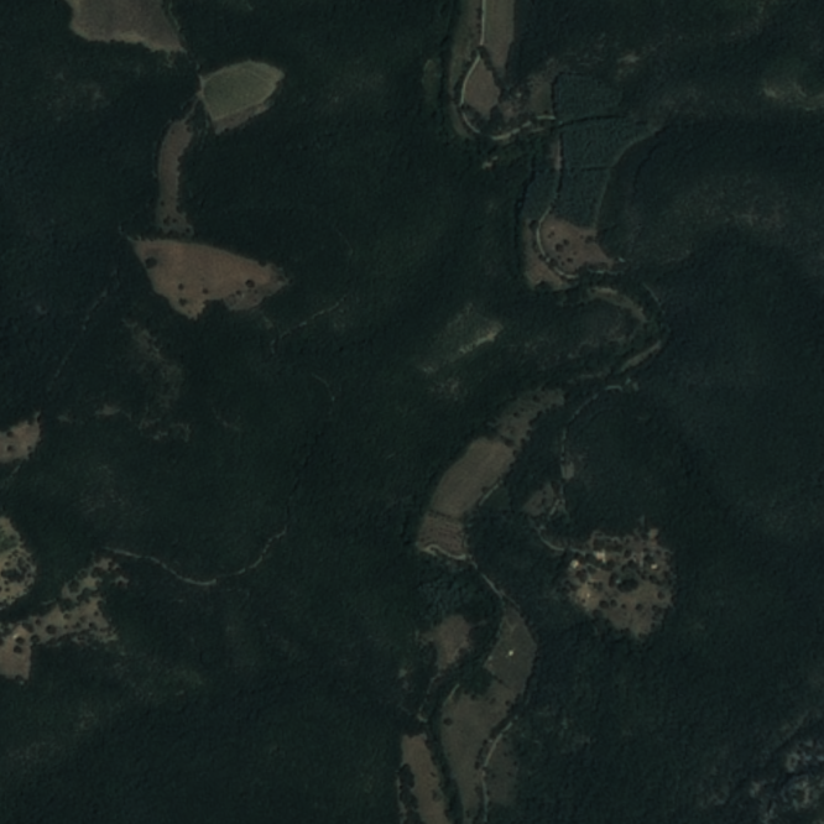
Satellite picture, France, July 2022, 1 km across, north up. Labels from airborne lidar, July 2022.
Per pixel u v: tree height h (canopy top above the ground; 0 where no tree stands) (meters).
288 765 7
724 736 6
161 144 7
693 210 7
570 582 5
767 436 9
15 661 0
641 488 8
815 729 8
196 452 8
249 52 13
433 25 10
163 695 8
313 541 12
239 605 9
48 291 7
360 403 11
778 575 12
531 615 9
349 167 9
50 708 6
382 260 13
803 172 9
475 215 9
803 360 10
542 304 10
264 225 10
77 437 6
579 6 6
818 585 9
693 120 8
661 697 6
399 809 12
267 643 7
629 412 9
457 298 8
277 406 9
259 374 8
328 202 10
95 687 13
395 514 14
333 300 9
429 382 9
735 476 7
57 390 6
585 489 6
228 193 13
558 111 15
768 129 14
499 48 0
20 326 6
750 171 7
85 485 8
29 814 12
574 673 7
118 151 7
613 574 6
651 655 10
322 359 12
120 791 6
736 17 7
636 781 8
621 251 6
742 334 7
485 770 6
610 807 7
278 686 12
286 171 12
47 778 14
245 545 7
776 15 9
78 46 9
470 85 0
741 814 6
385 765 9
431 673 7
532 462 7
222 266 0
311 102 11
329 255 8
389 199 12
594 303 8
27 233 7
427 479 12
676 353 8
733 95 6
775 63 8
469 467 0
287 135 13
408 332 11
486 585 8
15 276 10
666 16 6
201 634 6
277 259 6
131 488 7
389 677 7
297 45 8
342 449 19
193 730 7
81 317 8
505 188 15
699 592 8
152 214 7
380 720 9
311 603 9
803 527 7
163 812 7
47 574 7
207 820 8
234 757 6
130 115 9
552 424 7
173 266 0
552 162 9
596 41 6
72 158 8
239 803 7
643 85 7
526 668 0
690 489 16
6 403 8
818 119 13
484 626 6
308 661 7
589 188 13
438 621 9
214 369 8
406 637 7
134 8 0
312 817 7
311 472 16
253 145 11
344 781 9
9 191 7
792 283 13
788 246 6
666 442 12
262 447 11
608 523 8
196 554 6
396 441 15
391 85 13
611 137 13
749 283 11
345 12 16
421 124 16
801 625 9
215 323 6
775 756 8
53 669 13
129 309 7
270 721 7
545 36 6
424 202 10
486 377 12
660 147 9
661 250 7
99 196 10
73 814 8
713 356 6
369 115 12
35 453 6
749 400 6
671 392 6
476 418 17
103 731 13
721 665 8
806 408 8
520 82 7
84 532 11
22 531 13
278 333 12
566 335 9
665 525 8
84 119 9
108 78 9
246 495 10
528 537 6
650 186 8
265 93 0
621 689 7
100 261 8
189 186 10
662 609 6
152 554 10
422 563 11
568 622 7
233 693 9
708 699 6
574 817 8
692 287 7
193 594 7
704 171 8
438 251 13
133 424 5
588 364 12
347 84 6
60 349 8
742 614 7
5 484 7
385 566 14
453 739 0
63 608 9
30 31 9
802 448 9
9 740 7
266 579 8
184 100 6
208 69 7
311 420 9
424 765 0
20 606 10
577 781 7
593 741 7
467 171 15
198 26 10
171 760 7
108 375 6
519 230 10
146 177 7
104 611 11
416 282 13
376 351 11
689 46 6
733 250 11
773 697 6
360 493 8
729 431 9
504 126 7
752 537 13
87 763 9
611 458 6
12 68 8
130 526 6
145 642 9
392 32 12
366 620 8
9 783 12
